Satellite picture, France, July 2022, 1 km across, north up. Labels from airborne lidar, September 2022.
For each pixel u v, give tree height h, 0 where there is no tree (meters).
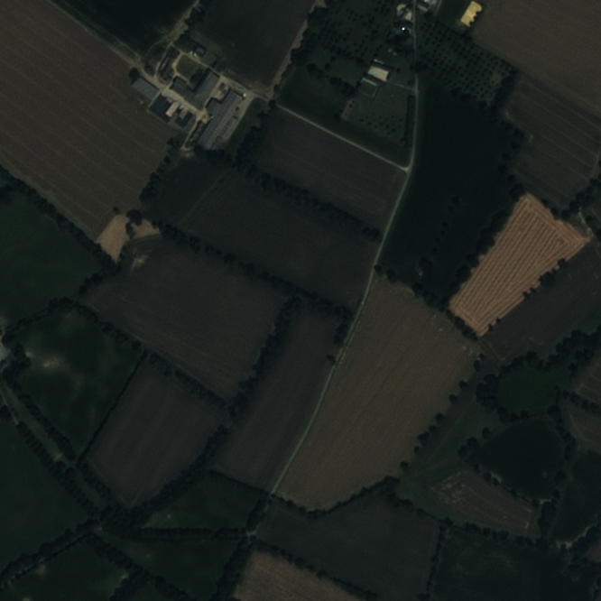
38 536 0
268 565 0
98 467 0
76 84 0
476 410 0
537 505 19
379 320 0
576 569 8
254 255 0
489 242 17
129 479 0
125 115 0
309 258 0
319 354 0
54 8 0
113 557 18
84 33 0
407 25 11
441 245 15
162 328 0
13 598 0
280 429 0
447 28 6
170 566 0
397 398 0
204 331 0
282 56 0
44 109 0
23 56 0
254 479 0
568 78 0
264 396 0
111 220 0
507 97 15
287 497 0
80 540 10
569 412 0
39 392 0
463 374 0
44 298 0
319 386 0
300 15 0
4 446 0
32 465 0
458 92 15
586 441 0
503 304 0
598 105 0
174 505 0
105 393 0
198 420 0
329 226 0
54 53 0
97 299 0
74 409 0
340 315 20
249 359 0
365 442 0
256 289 0
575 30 0
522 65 0
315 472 0
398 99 0
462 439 0
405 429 0
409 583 0
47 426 16
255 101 0
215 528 0
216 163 21
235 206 0
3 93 0
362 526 0
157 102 0
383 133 0
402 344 0
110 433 0
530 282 0
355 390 0
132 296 0
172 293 0
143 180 0
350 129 0
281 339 20
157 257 0
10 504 0
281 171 0
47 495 0
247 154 26
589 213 0
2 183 0
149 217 0
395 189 0
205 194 0
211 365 0
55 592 0
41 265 0
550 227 0
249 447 0
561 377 0
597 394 0
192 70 0
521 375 0
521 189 18
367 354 0
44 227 0
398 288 0
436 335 0
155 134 0
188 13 0
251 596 0
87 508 14
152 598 0
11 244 0
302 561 13
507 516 0
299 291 18
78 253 0
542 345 0
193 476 22
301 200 28
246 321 0
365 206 0
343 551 0
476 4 0
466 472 0
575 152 0
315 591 0
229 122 0
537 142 0
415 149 0
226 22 0
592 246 0
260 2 0
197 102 0
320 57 0
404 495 0
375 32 9
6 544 0
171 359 0
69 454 12
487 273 0
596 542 14
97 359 0
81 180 0
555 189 0
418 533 0
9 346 13
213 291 0
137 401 0
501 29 0
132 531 18
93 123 0
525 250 0
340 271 0
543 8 0
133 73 0
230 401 0
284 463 0
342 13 0
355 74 0
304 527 0
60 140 0
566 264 19
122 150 0
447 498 0
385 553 0
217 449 20
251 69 0
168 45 0
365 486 0
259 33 0
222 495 0
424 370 0
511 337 0
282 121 0
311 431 0
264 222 0
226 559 0
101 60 0
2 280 0
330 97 0
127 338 17
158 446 0
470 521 0
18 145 0
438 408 0
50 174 0
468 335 16
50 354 0
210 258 14
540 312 0
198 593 0
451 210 14
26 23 0
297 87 0
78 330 0
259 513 13
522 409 0
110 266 22
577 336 17
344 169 0
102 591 0
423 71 16
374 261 0
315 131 0
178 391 0
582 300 0
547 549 23
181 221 0
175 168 0
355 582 0
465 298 0
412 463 0
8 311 0
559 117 0
